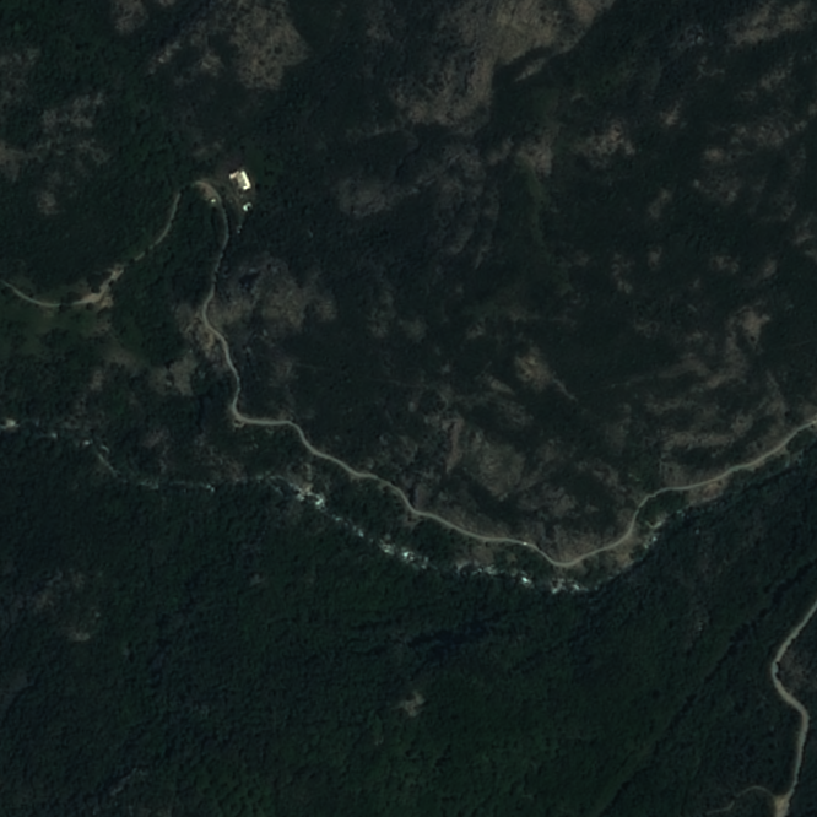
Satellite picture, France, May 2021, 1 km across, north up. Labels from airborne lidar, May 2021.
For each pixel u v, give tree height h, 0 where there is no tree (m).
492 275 6
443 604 9
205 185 0
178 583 11
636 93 6
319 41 6
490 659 8
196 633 9
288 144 6
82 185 6
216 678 7
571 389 6
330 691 12
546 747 19
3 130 11
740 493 9
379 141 6
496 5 0
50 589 6
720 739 7
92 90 7
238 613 11
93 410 10
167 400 6
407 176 8
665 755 14
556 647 9
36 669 9
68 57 16
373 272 6
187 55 5
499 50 0
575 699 15
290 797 8
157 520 7
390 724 14
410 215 5
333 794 9
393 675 15
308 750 12
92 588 13
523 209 5
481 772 19
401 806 26
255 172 0
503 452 0
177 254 16
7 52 7
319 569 11
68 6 18
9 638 7
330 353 6
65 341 19
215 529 9
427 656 10
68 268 8
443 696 16
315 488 9
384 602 11
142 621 17
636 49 9
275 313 0
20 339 8
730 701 14
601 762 26
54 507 12
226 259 8
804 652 6
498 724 16
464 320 5
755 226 7
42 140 10
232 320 0
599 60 6
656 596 12
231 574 8
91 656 13
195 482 11
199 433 6
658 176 6
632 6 10
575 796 21
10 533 12
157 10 7
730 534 8
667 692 16
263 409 6
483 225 5
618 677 12
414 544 8
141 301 10
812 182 5
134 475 17
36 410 22
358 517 14
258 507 8
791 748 11
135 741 9
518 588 12
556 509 0
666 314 6
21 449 20
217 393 7
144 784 12
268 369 6
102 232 6
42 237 11
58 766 12
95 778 12
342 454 8
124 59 20
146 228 8
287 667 13
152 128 10
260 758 7
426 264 7
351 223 6
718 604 7
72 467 7
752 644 14
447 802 21
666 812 20
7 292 14
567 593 10
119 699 7
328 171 6
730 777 10
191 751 11
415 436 9
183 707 7
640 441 6
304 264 6
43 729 18
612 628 11
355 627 11
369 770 28
